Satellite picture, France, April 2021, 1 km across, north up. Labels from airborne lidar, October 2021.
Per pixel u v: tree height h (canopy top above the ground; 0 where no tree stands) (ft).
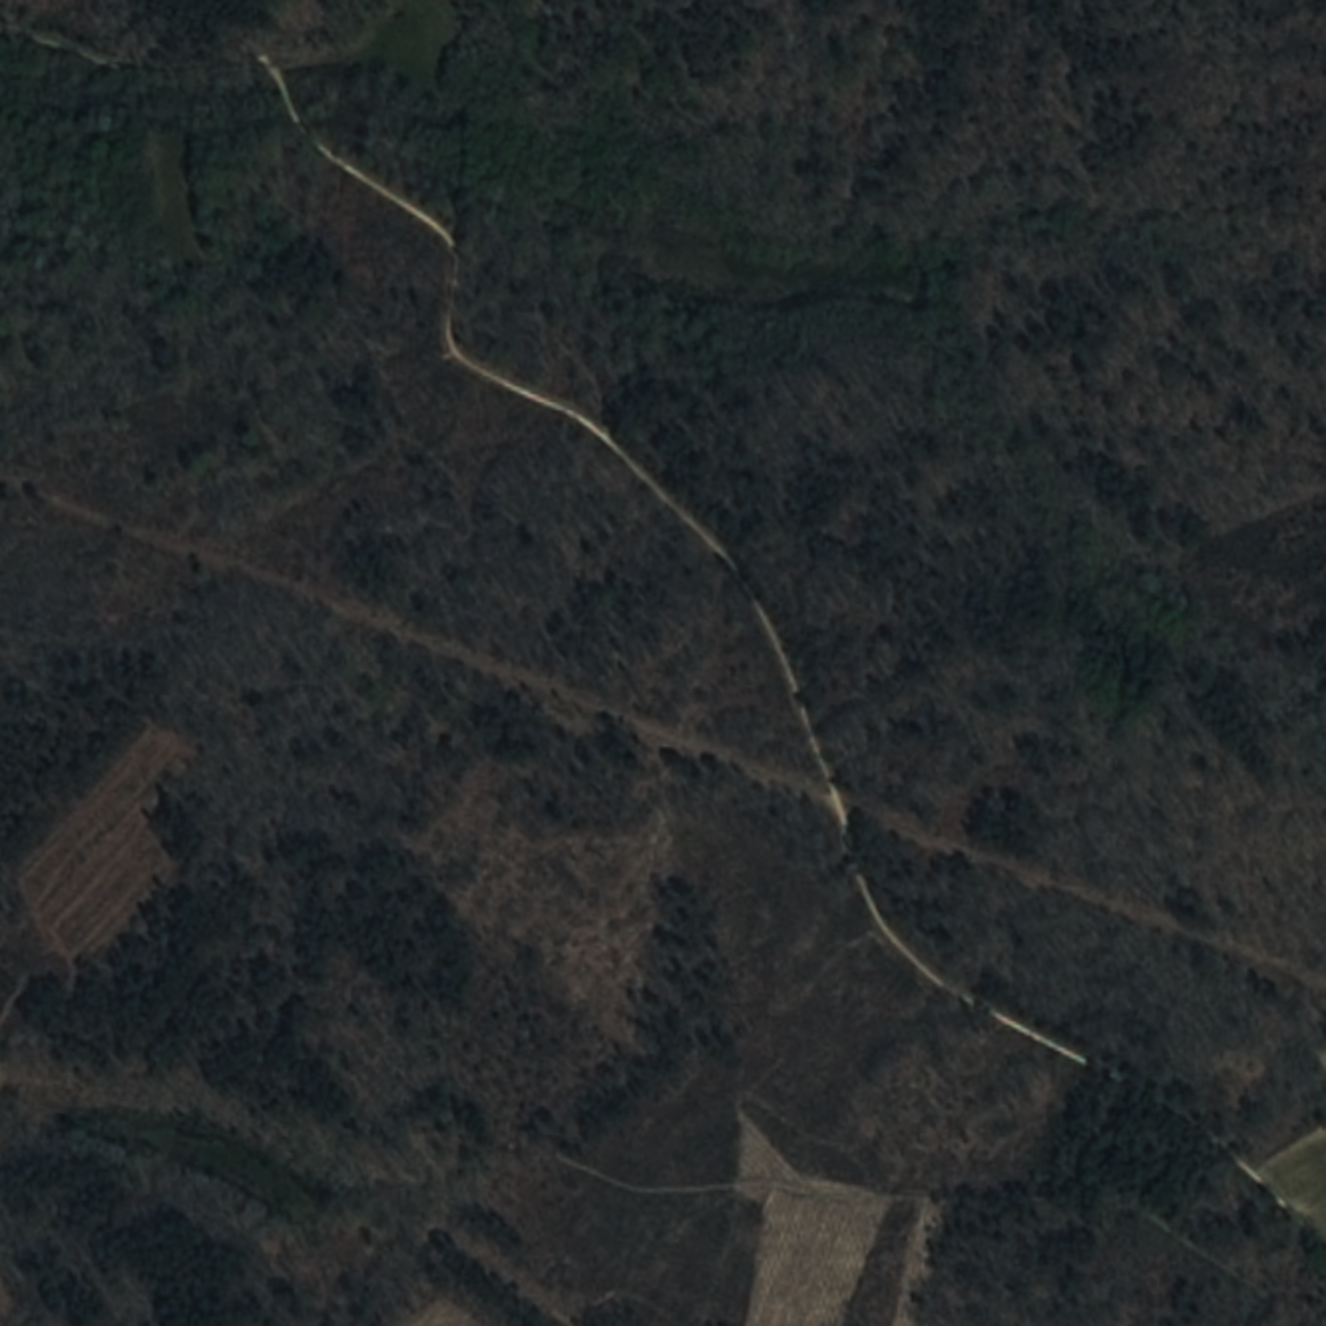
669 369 48
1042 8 79
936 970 44
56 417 49
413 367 18
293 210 23
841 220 46
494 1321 57
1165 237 62
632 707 31
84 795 65
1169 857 64
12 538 27
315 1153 72
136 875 0
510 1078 19
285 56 45
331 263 77
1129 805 45
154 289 36
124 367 51
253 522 53
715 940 47
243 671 46
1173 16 35
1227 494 47
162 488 58
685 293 19
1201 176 43
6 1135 73
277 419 76
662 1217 0
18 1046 50
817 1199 0
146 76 48
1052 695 59
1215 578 22
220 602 60
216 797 39
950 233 71
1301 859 49
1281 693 80
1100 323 72
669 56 83
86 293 64
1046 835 71
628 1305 21
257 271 76
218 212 74
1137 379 43
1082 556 80
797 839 37
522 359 50
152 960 52
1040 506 75
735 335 69
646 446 30
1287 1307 45
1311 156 35
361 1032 51
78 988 24
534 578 41
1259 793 52
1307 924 66
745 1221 0
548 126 65
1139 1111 57
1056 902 60
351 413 79
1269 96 25
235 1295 63
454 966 73
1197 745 64
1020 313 48
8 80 62
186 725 51
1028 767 33
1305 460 32
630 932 0
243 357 51
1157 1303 28
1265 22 35
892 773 29
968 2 85
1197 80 25
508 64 41
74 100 56
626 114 50
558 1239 0
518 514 45
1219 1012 60
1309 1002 58
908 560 52
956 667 44
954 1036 47
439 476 26
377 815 46
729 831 23
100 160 80
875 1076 53
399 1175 77
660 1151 0
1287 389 24
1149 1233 34
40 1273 76
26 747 77
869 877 69
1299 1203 0
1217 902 48
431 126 45
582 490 58
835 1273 0
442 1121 44
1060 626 69
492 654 37
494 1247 90
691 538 51
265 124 41
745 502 59
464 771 80
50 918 0
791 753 43
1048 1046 33
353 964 86
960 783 49
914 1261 0
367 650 64
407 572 63
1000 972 35
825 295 40
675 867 0
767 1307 0
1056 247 57
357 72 26
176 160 0
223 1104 73
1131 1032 58
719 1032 63
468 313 52
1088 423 42
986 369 70
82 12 20
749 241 67
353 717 54
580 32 32
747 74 66
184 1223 52
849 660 35
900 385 48
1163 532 54
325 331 54
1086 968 54
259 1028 46
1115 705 78
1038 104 39
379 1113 56
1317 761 75
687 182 86
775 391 52
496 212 71
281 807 38
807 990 0
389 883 82
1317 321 66
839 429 46
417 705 41
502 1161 53
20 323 68
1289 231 53
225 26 77
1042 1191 45
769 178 62
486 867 33
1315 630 21
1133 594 62
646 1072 67
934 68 82
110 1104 47
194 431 17
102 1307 58
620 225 68
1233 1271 54
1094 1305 71
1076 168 47
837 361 59
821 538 51
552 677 45
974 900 45
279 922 24
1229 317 53
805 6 34
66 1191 78
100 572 21
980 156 47
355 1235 61
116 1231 67
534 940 27
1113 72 77
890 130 52
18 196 48
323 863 83
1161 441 51
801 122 45
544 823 39
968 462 51
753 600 50
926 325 70
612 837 27
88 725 24
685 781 72
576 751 47
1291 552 19
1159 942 53
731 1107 0
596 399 43
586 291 77
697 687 31
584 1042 32
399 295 27
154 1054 64
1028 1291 70
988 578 55
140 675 63
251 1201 41
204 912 79
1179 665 72
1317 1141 0
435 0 0
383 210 26
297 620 60
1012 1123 43
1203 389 76
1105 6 50
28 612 36
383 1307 48
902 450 65
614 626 56
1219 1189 72
